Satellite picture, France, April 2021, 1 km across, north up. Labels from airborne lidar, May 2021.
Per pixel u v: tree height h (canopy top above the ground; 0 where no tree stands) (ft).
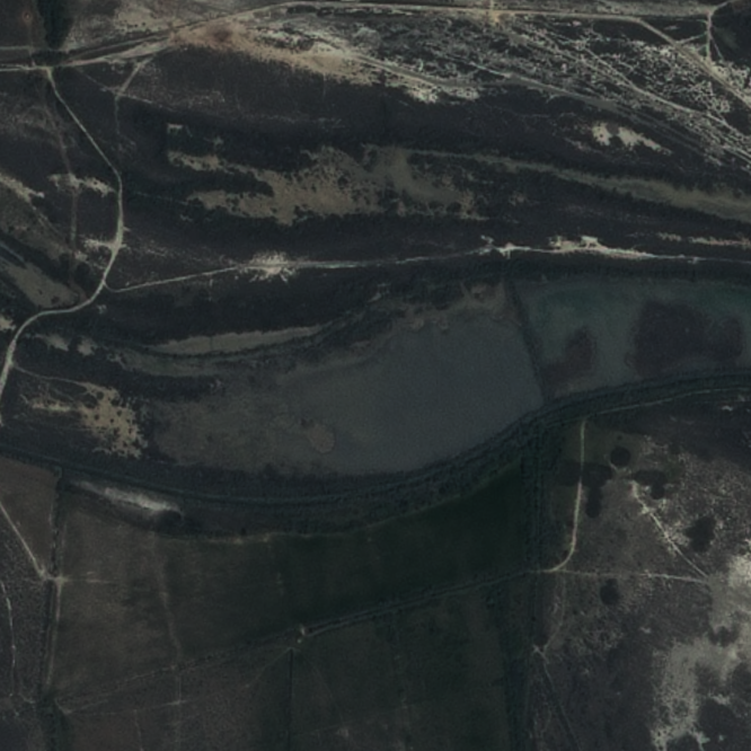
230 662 0
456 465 20
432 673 0
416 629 0
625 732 0
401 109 0
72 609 0
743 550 0
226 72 0
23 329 0
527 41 0
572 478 0
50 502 0
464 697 0
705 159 0
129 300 0
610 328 0
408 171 0
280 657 0
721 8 0
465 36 0
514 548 0
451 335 0
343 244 0
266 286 0
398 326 0
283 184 0
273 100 0
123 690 0
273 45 0
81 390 0
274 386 0
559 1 0
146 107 0
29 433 0
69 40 0
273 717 0
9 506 0
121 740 0
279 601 0
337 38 0
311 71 0
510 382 0
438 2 0
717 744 0
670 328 0
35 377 0
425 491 20
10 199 0
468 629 0
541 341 0
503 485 0
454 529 0
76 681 0
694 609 0
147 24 0
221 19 0
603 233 0
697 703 0
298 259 0
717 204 0
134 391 0
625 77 0
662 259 0
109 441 0
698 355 0
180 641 0
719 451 0
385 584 0
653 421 0
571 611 0
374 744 0
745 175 0
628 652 0
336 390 0
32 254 0
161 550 0
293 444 0
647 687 0
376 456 0
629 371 0
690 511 0
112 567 0
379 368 0
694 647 0
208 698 0
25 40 0
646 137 0
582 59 0
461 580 0
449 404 0
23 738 0
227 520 0
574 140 0
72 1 0
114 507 0
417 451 0
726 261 0
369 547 0
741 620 0
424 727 0
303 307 0
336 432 0
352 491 19
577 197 0
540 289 0
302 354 0
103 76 0
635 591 0
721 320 0
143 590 0
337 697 0
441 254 0
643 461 0
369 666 0
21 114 0
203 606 0
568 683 0
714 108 0
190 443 0
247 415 0
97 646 0
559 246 0
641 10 0
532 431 36
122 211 0
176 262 0
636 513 0
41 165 0
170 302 0
